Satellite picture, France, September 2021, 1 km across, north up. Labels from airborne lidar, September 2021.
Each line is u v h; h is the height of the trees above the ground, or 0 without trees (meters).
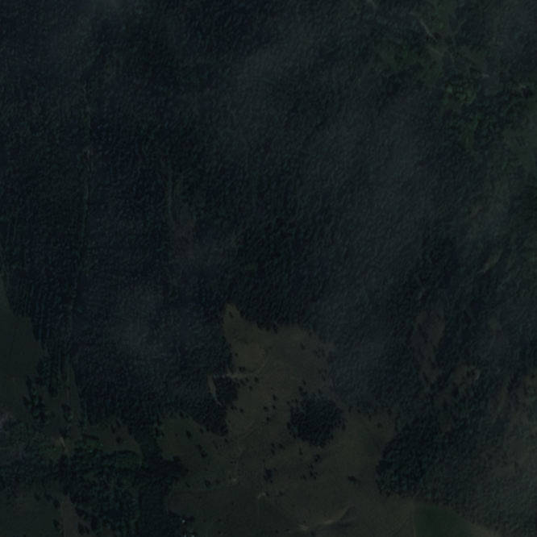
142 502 9
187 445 0
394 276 17
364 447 0
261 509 0
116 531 12
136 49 16
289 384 0
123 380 19
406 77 11
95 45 8
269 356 0
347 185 26
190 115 27
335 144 13
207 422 22
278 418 0
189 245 7
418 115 25
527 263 7
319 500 0
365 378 10
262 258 21
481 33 21
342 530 0
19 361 0
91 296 24
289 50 17
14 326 0
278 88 26
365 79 12
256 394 0
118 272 23
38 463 10
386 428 0
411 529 0
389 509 0
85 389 15
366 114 14
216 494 0
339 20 22
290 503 0
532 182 17
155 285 21
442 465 10
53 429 0
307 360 0
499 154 14
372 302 26
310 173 28
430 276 17
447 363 16
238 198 18
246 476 0
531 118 0
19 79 13
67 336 29
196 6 15
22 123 24
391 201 21
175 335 9
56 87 17
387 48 13
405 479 7
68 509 0
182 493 0
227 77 14
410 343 11
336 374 10
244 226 25
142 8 12
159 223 22
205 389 13
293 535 0
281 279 16
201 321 29
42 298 16
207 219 12
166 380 19
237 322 0
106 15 16
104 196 21
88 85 12
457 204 17
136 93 25
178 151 14
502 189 7
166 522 12
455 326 14
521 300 6
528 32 28
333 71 30
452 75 17
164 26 16
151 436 10
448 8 0
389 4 22
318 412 13
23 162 18
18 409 0
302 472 0
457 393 9
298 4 31
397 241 25
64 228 16
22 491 0
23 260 15
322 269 9
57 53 26
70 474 13
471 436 6
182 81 17
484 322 11
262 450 0
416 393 15
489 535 0
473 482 10
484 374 7
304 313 26
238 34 25
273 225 13
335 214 26
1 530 0
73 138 12
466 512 7
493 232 11
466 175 20
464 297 19
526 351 16
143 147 16
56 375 11
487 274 7
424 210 22
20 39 15
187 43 17
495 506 9
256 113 23
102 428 6
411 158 21
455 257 19
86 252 21
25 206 24
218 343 22
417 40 16
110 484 8
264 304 21
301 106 27
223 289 15
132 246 11
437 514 0
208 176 15
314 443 10
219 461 0
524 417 0
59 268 25
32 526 0
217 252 15
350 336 17
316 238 19
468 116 19
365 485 0
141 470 15
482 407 8
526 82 14
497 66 15
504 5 15
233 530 0
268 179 18
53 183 19
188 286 31
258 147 12
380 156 23
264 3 22
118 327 26
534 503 10
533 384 0
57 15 12
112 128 27
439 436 6
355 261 32
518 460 0
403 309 13
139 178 11
